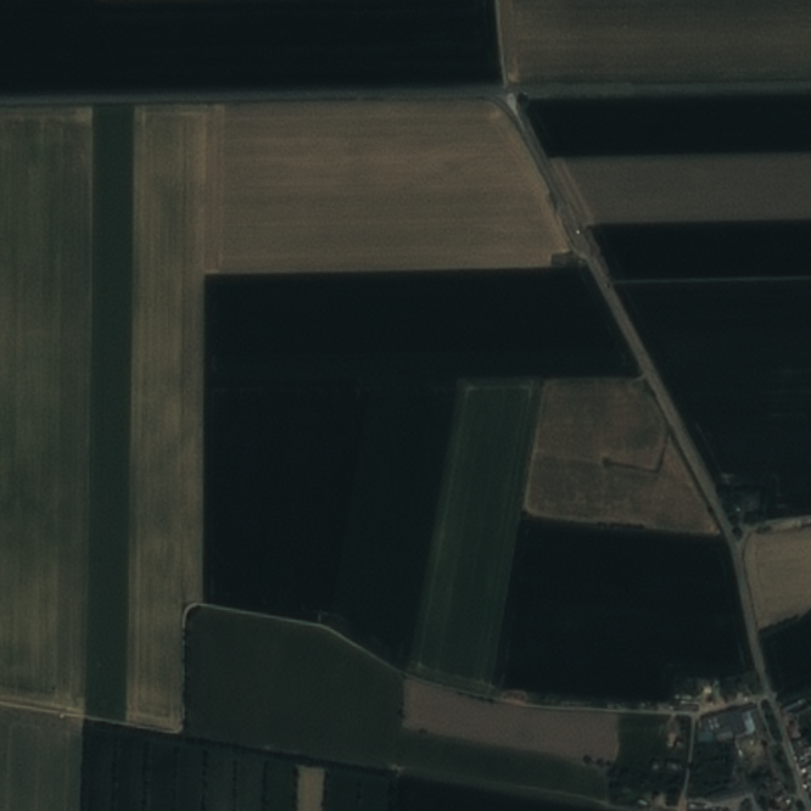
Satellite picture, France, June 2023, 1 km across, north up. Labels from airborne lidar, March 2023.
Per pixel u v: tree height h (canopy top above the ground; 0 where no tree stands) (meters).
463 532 0
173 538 0
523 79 0
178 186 0
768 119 0
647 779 6
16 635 0
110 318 0
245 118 0
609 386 0
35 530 0
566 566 0
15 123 0
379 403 0
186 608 0
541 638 0
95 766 0
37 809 0
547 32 0
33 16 0
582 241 0
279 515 0
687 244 0
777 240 0
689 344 0
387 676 0
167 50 0
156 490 0
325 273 0
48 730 0
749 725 0
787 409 0
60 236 0
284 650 0
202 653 0
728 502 9
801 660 0
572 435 0
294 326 0
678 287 0
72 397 0
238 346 0
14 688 0
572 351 0
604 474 0
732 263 0
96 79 0
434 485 0
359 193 0
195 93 0
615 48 0
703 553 0
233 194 0
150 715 0
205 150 0
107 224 0
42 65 0
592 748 0
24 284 0
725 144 0
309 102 0
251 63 0
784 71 0
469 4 0
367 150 0
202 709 0
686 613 0
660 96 0
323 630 0
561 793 0
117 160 0
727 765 7
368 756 0
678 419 0
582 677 0
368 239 0
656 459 0
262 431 0
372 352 0
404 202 0
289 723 0
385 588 0
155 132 0
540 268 0
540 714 0
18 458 0
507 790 0
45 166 0
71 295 0
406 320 0
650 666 0
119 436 0
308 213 0
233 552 0
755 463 0
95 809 0
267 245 0
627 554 0
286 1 0
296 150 0
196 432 0
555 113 0
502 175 0
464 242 0
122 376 0
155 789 0
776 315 0
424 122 0
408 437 0
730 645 0
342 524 0
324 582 0
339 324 0
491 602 0
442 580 0
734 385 0
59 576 0
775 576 0
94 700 0
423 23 0
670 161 0
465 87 0
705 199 0
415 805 0
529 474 0
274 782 0
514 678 0
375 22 0
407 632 0
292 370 0
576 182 0
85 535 0
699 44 0
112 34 0
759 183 0
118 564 0
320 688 0
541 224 0
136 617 0
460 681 0
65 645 0
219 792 0
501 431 0
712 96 0
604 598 0
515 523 0
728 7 0
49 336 0
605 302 0
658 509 0
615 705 0
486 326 0
